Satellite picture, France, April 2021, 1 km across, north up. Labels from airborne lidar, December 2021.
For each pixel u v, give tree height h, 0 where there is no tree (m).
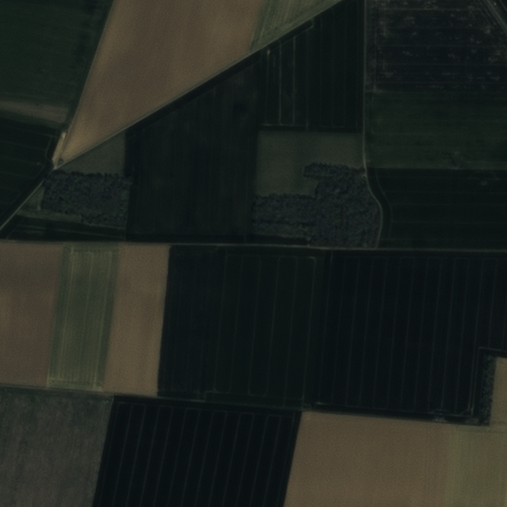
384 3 0
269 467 0
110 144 0
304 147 0
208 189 0
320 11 0
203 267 0
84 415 0
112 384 0
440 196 0
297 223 7
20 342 0
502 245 0
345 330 0
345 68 0
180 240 0
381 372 0
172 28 0
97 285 0
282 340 0
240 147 0
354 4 0
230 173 0
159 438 0
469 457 0
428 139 0
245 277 0
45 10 0
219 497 0
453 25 0
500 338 0
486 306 0
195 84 0
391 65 0
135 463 0
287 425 0
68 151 0
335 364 0
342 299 0
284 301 0
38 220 0
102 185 15
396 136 0
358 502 0
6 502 0
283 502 0
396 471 0
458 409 0
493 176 0
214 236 0
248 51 0
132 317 0
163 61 0
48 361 0
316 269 0
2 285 0
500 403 0
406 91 0
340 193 11
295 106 0
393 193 0
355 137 0
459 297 0
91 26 0
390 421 0
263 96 0
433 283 0
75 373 0
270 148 0
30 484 0
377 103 0
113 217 12
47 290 0
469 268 0
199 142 0
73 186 16
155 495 0
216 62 0
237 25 0
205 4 0
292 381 0
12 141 0
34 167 0
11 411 0
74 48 0
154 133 0
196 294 0
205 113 0
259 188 0
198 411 0
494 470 0
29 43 0
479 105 0
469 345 0
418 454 0
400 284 0
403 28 0
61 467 0
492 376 16
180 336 0
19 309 0
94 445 0
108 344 0
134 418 0
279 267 0
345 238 8
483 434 0
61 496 0
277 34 0
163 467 0
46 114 0
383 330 0
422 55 0
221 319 0
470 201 0
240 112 0
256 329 0
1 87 0
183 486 0
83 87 0
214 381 0
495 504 0
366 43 0
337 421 0
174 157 0
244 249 0
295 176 0
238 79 0
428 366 0
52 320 0
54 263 0
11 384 0
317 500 0
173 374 0
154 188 0
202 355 0
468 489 0
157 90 0
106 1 0
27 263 0
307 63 0
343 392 0
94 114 0
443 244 0
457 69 0
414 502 0
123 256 0
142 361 0
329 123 0
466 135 0
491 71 0
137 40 0
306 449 0
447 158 0
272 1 0
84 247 0
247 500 0
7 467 0
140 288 0
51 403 0
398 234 0
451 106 0
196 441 0
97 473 0
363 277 0
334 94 0
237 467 0
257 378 0
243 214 0
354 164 0
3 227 0
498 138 0
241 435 0
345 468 0
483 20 0
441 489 0
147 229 0
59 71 0
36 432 0
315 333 0
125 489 0
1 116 0
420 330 0
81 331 0
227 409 0
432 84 0
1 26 0
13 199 0
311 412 0
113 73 0
